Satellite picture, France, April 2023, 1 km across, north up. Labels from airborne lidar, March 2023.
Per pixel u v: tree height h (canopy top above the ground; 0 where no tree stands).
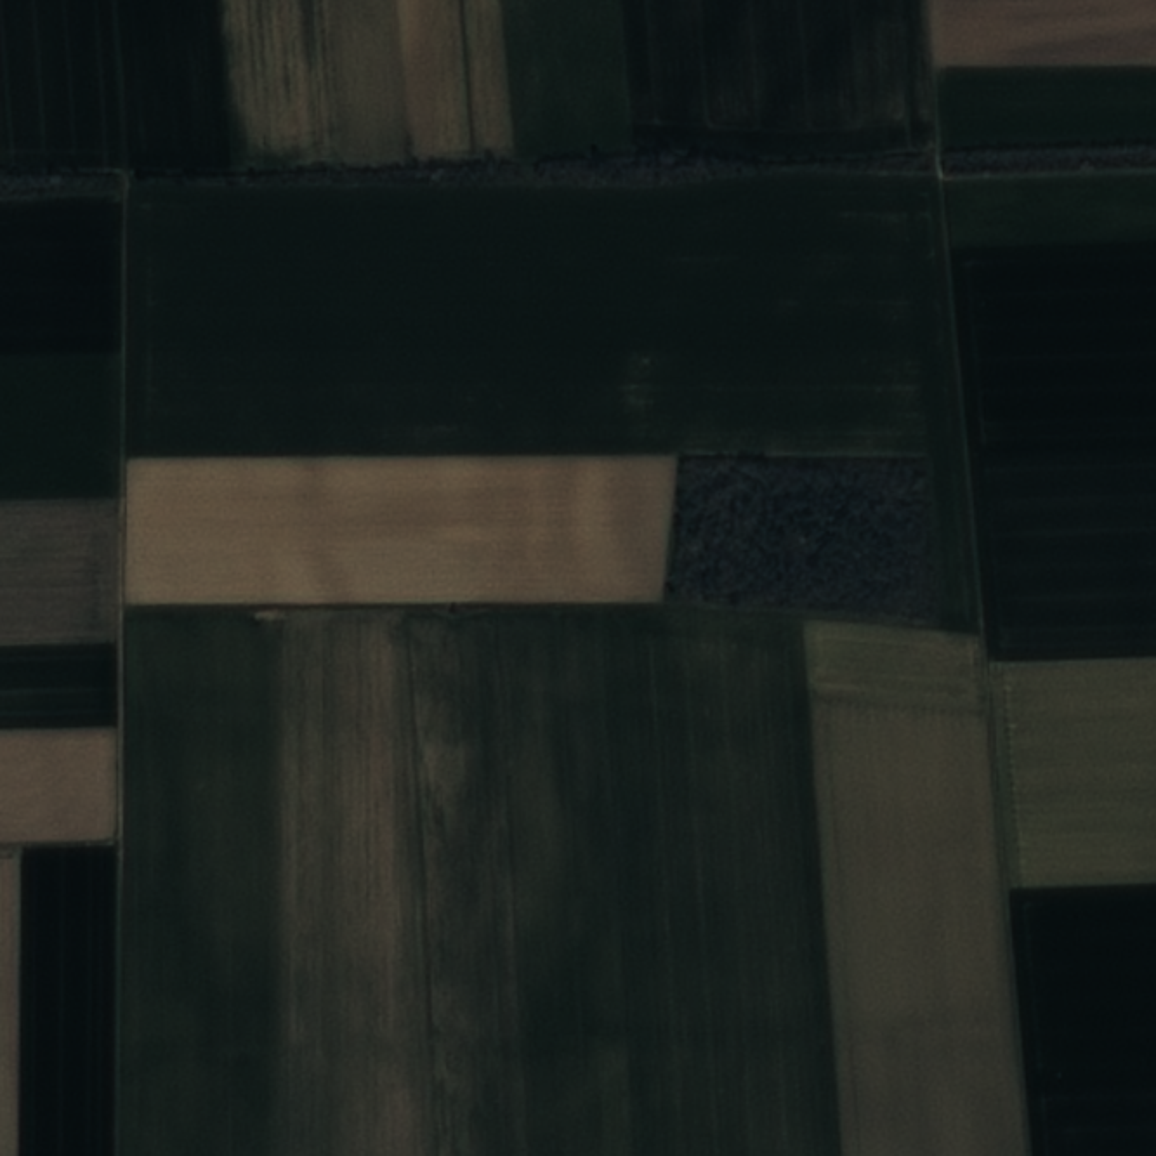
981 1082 0
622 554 0
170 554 0
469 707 0
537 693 0
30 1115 0
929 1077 0
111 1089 0
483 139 0
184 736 0
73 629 0
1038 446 0
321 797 0
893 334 0
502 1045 0
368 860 0
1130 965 0
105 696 0
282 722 0
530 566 0
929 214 0
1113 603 0
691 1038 0
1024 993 0
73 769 0
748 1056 0
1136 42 0
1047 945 0
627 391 0
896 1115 0
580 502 0
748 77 0
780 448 0
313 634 0
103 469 0
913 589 11
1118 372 0
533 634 0
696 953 0
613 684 0
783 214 0
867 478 5
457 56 0
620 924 0
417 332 0
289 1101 0
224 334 0
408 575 0
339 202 0
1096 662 0
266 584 0
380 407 0
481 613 0
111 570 0
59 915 0
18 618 0
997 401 0
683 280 0
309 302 0
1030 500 0
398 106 0
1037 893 0
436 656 0
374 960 0
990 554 0
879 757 0
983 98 0
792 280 0
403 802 0
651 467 0
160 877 0
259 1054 0
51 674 0
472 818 0
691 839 0
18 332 0
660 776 0
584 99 0
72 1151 0
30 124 0
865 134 0
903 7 0
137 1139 0
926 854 0
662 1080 0
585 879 0
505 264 0
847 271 0
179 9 0
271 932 0
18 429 0
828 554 11
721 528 10
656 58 0
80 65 0
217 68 0
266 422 0
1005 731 0
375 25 0
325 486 0
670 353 0
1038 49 0
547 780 0
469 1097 0
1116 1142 0
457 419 0
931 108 0
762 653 0
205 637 0
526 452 0
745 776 0
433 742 0
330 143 0
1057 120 0
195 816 0
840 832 0
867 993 0
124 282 0
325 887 0
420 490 0
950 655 0
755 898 0
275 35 0
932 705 0
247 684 0
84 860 0
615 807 0
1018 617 0
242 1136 0
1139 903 0
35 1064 0
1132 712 0
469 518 0
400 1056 0
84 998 0
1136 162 8
